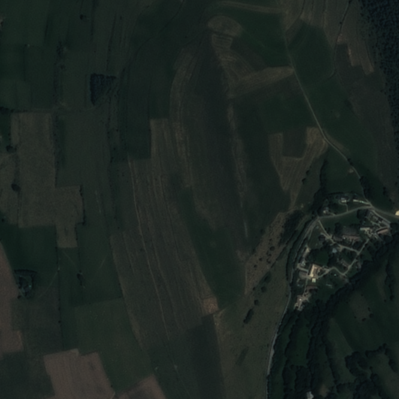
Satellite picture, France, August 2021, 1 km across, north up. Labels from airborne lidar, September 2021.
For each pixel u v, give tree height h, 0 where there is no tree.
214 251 0
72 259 0
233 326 0
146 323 0
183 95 0
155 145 0
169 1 0
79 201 0
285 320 16
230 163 0
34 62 0
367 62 0
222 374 0
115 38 0
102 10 0
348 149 0
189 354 0
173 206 0
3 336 0
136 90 0
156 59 0
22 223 0
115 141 0
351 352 0
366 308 0
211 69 0
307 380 18
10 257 0
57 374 0
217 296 0
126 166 0
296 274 9
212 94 0
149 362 0
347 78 0
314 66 0
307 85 0
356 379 8
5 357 0
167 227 0
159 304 0
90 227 0
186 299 0
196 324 0
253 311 10
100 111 0
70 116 0
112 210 0
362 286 22
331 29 0
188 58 0
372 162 0
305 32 0
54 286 0
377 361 0
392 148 0
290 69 0
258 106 0
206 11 0
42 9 0
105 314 0
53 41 0
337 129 0
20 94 0
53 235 0
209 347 0
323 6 0
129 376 0
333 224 0
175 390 0
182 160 0
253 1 0
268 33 0
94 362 0
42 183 0
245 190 0
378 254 20
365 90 0
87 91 0
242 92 0
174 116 0
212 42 0
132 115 0
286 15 0
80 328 0
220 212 0
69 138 0
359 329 0
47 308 0
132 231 0
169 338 0
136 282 0
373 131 0
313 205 7
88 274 0
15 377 0
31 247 0
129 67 0
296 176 0
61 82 0
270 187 0
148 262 0
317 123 0
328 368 0
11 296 0
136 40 0
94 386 0
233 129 0
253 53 0
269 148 0
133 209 0
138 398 0
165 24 0
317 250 9
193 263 0
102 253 0
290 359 15
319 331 21
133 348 0
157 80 0
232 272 0
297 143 0
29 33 0
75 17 0
